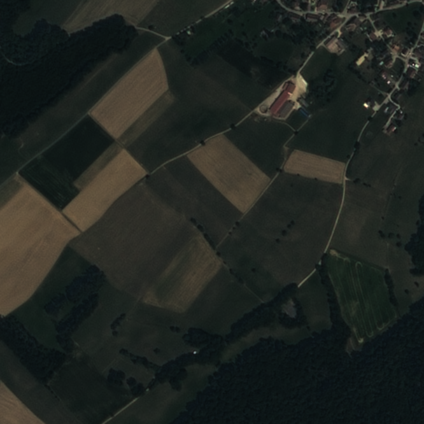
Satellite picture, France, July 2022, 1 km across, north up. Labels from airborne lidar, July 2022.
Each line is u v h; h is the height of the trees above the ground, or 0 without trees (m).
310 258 0
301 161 0
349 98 0
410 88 7
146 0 0
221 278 0
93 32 18
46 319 0
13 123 28
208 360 19
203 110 0
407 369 14
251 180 0
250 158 0
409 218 0
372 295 0
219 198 0
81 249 0
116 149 0
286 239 0
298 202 0
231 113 0
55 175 0
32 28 0
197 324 0
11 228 0
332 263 0
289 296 14
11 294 0
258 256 0
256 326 20
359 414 16
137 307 0
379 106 0
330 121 0
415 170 0
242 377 19
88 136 0
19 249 0
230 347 0
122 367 0
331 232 0
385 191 0
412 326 24
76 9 0
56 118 0
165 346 0
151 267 0
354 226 0
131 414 0
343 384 32
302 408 14
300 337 0
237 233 0
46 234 0
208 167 0
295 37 6
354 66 6
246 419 18
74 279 0
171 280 0
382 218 7
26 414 0
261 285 0
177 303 0
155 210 0
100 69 0
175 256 0
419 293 0
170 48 0
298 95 0
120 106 0
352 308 0
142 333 0
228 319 0
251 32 0
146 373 0
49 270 0
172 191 0
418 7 0
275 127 0
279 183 0
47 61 11
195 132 0
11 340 23
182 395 0
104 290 0
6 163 0
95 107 0
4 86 12
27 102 13
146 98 0
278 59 0
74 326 24
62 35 19
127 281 0
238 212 0
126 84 0
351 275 0
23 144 0
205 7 0
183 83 0
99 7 0
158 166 0
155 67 0
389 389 13
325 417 20
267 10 0
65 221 0
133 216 0
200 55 0
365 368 22
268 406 21
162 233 0
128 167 0
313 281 0
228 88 0
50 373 15
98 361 0
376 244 0
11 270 0
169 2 0
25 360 20
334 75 9
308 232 0
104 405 0
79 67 14
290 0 6
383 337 15
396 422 16
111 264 0
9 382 0
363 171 0
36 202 0
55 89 15
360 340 0
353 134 0
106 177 0
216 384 22
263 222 0
